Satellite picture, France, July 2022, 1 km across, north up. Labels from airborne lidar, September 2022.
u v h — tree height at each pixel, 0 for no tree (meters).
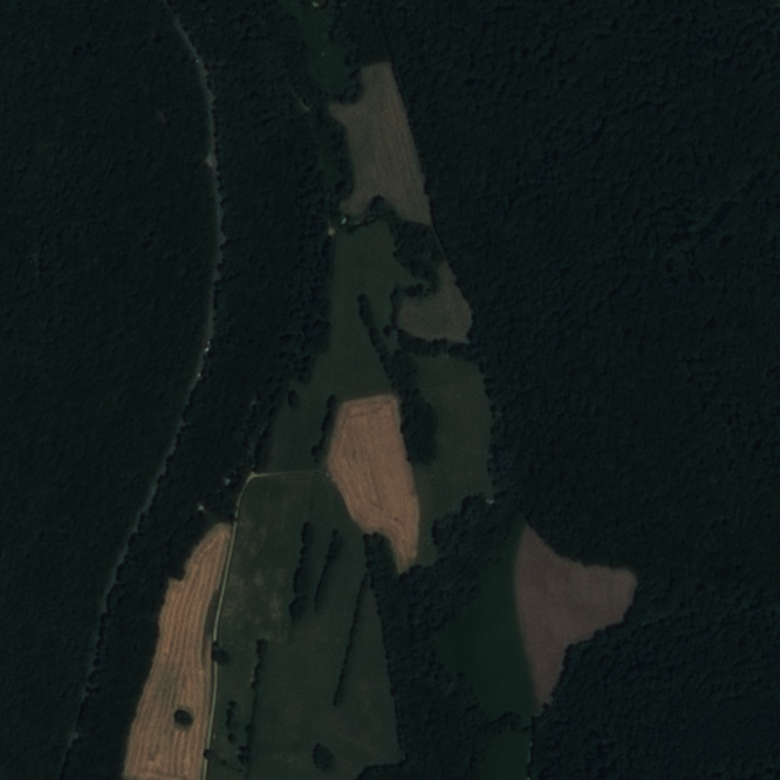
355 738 0
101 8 21
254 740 8
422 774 15
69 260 23
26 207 20
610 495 22
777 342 24
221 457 24
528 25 23
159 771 0
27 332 19
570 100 19
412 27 20
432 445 15
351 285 0
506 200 24
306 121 22
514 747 0
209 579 0
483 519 13
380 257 0
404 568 0
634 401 22
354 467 0
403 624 16
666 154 23
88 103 26
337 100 11
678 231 11
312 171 20
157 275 19
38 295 23
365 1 8
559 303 22
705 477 24
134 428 19
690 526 20
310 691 0
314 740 0
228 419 29
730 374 21
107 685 24
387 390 0
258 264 25
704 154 26
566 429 22
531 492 19
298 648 0
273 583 0
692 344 29
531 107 24
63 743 21
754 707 20
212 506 23
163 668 0
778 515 24
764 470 18
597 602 0
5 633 15
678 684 16
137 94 24
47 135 20
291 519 0
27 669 16
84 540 14
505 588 0
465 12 24
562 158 29
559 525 25
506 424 19
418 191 0
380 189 0
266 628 0
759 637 26
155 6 26
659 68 25
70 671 16
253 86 30
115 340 17
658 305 30
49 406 23
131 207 19
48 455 21
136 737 0
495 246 24
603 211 22
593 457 23
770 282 24
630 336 29
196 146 19
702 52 21
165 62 22
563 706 21
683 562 23
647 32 24
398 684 12
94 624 16
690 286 28
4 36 24
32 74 22
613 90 26
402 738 13
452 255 19
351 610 0
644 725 11
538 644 0
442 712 18
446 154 21
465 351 16
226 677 0
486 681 0
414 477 0
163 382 21
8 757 20
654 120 26
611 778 28
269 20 23
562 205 20
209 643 0
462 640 0
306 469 0
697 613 24
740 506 23
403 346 16
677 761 19
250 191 18
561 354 22
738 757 18
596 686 24
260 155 26
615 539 25
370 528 0
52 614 17
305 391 0
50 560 18
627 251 20
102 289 17
